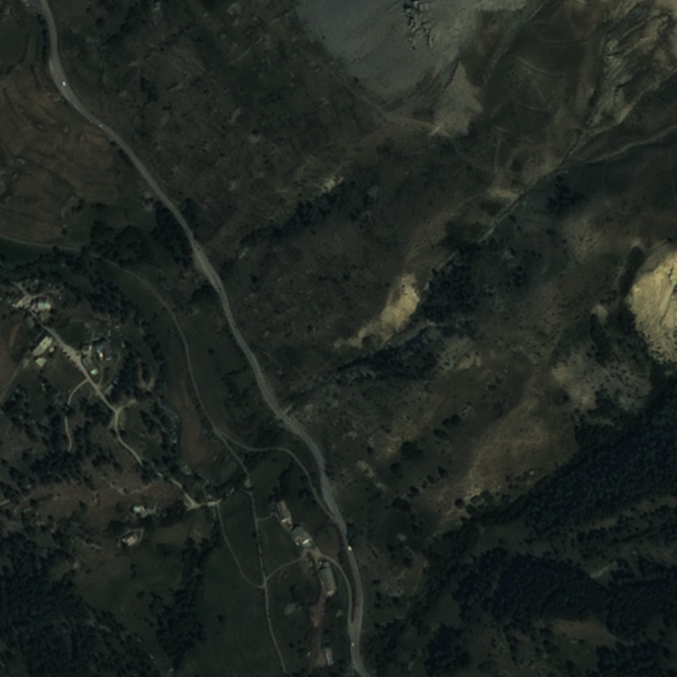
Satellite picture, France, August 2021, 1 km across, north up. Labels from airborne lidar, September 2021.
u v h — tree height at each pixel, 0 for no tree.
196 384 0
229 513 0
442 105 0
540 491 11
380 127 0
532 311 0
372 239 0
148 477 13
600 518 12
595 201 0
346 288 0
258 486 0
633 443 15
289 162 0
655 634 0
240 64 0
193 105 0
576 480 15
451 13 0
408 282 0
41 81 0
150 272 0
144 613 0
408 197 0
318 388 0
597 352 10
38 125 0
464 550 12
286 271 0
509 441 0
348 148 0
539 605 25
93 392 0
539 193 0
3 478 0
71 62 0
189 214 9
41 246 0
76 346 0
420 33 0
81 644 22
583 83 0
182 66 0
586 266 0
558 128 0
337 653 0
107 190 0
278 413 0
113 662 7
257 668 0
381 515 0
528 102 0
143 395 20
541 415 0
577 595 24
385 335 0
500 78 0
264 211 0
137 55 0
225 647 0
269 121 0
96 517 0
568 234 0
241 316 0
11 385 0
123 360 0
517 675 0
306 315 0
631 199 0
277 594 0
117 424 0
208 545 13
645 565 23
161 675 12
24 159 0
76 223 0
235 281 0
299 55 0
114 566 0
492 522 12
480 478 0
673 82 0
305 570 0
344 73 0
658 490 24
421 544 0
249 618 0
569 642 0
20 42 0
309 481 9
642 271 0
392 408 0
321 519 0
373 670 0
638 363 8
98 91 0
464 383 0
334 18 0
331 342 0
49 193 0
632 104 0
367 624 0
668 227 0
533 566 20
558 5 0
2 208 0
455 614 0
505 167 0
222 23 0
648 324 0
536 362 0
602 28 0
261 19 0
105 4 11
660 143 0
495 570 19
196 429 0
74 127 0
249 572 0
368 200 8
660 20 0
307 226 11
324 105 0
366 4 0
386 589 0
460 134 0
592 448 13
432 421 0
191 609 13
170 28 0
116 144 7
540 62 0
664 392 10
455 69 0
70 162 0
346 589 0
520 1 0
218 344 0
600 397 13
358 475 0
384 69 0
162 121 0
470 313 8
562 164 0
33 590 28
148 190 0
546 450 0
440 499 0
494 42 0
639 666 20
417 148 0
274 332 0
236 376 6
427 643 0
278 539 0
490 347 0
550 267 0
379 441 0
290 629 0
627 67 0
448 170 0
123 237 10
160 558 0
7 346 0
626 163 0
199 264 0
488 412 0
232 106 0
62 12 0
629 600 22
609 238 0
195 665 0
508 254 0
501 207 0
